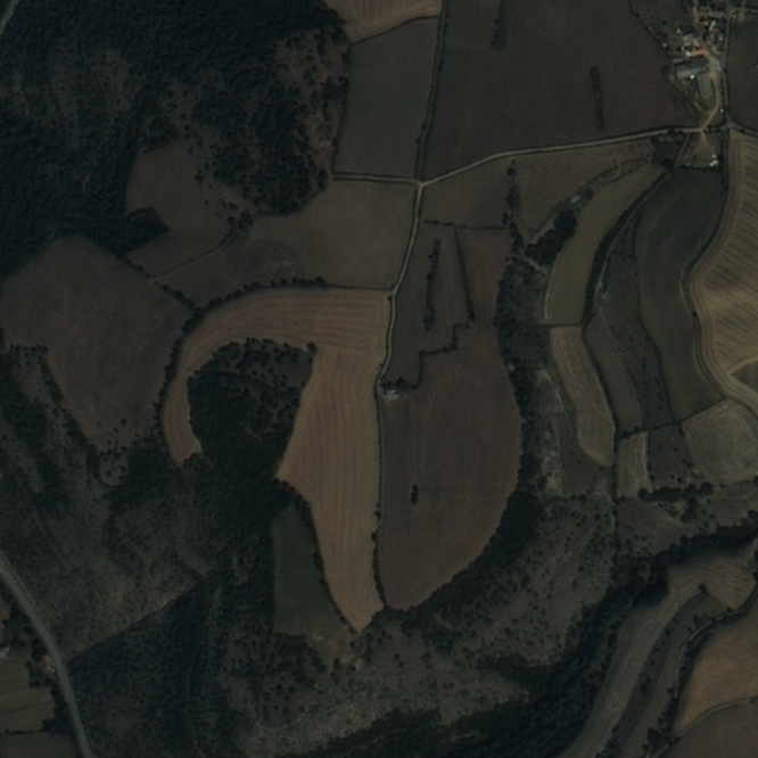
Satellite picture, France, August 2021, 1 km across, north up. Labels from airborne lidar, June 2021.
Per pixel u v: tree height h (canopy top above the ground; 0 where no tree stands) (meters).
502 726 14
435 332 0
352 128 0
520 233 7
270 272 0
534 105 0
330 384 0
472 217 0
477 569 12
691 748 0
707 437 0
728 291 0
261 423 10
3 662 0
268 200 7
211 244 0
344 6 0
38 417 7
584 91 0
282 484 11
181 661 7
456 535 0
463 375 0
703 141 0
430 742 8
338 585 0
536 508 9
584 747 0
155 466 7
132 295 0
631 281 0
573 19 0
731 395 0
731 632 0
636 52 0
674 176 0
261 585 10
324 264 0
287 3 11
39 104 8
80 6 5
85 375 0
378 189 0
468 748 17
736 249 0
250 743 0
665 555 13
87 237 6
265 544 9
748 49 0
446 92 0
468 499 0
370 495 0
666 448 0
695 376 0
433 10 0
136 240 9
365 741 7
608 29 0
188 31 10
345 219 0
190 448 0
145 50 10
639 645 0
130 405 0
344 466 0
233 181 7
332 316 0
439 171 0
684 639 0
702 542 20
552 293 0
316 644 0
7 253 9
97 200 11
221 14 9
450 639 7
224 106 7
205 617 8
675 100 0
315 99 6
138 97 7
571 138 0
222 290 0
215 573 5
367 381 0
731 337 0
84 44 5
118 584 0
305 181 8
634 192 0
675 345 0
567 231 13
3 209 6
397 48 0
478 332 0
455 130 0
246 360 8
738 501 0
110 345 0
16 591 0
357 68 0
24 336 0
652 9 0
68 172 6
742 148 0
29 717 0
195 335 0
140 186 0
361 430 0
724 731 0
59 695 12
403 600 0
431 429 0
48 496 8
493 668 9
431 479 0
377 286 0
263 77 7
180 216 0
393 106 0
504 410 0
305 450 0
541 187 0
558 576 0
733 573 0
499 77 0
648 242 0
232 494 10
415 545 0
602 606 6
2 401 6
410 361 0
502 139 0
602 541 7
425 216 0
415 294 0
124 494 10
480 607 9
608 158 0
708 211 0
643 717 0
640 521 0
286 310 0
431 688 6
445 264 0
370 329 0
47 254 0
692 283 0
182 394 0
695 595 0
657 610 0
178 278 0
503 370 0
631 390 0
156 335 0
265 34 8
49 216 8
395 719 12
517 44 0
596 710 0
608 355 0
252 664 7
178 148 0
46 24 9
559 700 12
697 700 0
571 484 0
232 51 8
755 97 0
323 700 6
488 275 0
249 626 6
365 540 0
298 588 0
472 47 0
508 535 14
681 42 0
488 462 0
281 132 8
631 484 0
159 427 8
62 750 0
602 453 0
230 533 9
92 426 0
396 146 0
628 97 0
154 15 6
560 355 0
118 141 8
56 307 0
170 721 7
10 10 0
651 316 0
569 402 0
